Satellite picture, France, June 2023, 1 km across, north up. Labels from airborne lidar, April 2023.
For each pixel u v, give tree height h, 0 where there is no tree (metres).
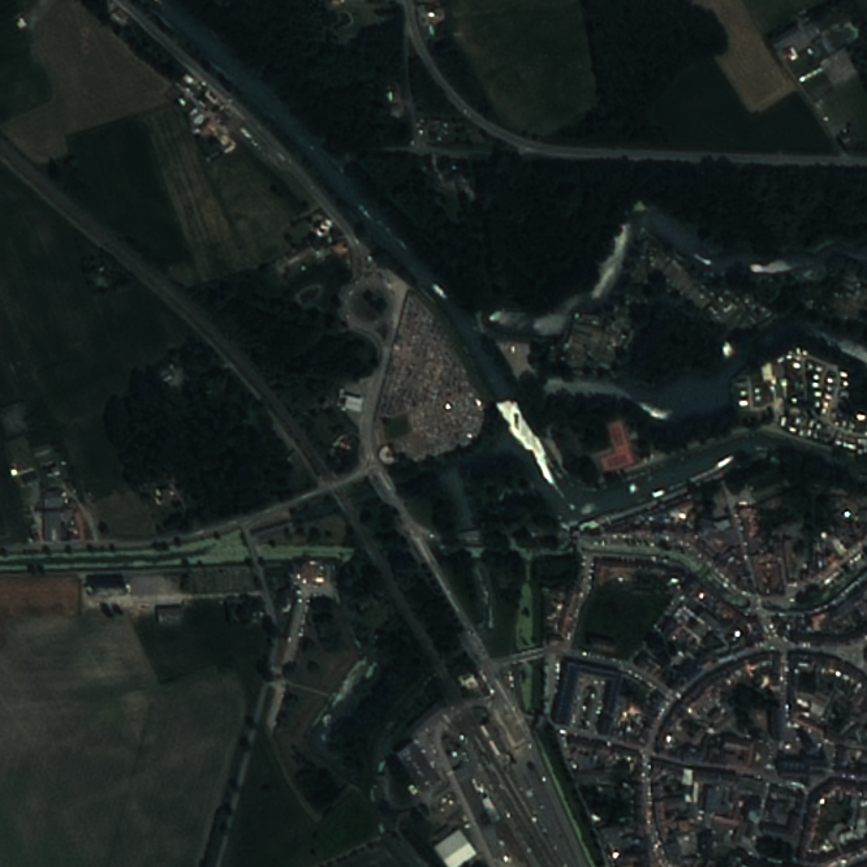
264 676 20
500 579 0
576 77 0
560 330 0
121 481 0
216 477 18
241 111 0
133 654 0
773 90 0
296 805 0
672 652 7
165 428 8
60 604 0
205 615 0
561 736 0
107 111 0
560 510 0
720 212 29
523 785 0
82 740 0
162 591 0
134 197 0
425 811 8
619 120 15
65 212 0
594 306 0
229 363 0
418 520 0
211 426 8
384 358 0
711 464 0
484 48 0
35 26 0
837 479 15
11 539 0
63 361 0
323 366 23
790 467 16
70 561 0
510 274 31
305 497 0
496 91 0
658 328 17
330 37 9
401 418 0
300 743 0
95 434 0
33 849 0
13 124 0
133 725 0
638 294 0
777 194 15
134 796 0
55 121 0
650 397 0
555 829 0
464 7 0
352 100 26
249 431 9
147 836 0
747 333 10
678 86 0
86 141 0
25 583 0
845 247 0
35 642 0
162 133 0
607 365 0
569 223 21
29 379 0
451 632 16
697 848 0
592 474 15
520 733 0
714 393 0
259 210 0
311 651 11
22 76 0
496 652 0
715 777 0
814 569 0
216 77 0
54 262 0
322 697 0
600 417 13
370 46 13
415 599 20
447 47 10
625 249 0
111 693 0
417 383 0
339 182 0
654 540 0
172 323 0
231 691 0
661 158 0
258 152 0
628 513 0
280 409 0
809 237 15
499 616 0
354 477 0
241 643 0
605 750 0
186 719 0
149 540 0
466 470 10
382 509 11
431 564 0
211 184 0
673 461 0
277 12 17
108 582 0
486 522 21
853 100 0
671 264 0
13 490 0
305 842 0
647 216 0
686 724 8
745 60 0
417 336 0
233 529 0
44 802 0
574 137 8
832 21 0
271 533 0
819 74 0
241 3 18
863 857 0
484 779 0
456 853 0
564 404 18
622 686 15
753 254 0
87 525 0
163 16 0
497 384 0
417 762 0
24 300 0
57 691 0
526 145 0
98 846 0
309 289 0
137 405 7
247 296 7
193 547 0
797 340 23
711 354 13
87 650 0
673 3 29
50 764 0
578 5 0
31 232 0
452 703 0
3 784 0
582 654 0
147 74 0
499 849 0
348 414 0
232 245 0
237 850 0
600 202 23
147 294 0
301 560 0
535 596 0
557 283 33
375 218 0
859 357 0
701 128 0
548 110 0
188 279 0
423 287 0
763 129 0
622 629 0
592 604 0
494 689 0
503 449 0
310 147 0
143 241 0
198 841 0
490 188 26
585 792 14
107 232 0
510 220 14
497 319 0
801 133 0
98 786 0
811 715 0
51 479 0
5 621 0
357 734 12
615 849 0
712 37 27
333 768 0
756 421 7
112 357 0
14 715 0
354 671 0
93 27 0
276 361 22
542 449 0
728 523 0
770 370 0
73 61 0
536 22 0
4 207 0
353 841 0
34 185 0
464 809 0
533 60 0
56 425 0
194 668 0
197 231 0
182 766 0
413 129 0
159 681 0
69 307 0
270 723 0
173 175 0
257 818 0
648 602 0
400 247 0
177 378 0
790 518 7
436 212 16
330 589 0
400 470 11
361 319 0
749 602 0
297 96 20
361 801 0
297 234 0
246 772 0
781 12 0
